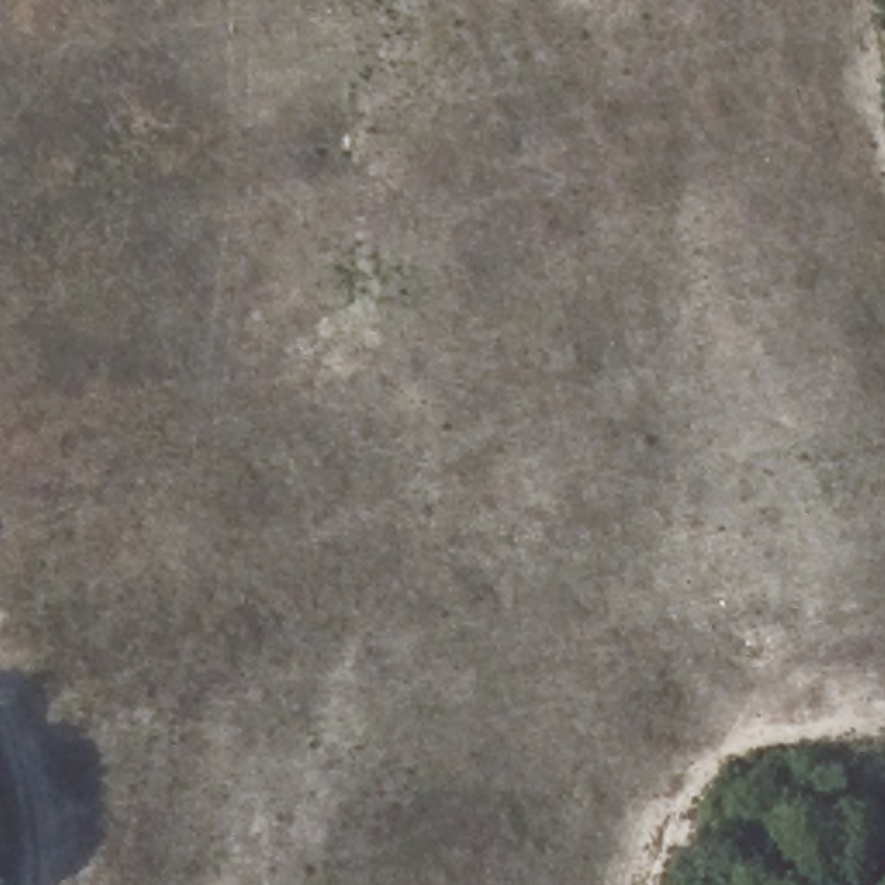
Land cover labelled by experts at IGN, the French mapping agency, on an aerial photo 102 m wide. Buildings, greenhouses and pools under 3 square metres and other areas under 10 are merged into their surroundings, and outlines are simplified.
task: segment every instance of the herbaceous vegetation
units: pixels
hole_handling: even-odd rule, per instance
[[[837,764],[844,771],[850,799],[861,802],[864,816],[864,854],[885,868],[885,0],[0,0],[0,885],[660,885],[660,871],[671,861],[671,847],[688,844],[691,837],[691,802],[712,785],[719,767],[747,750],[799,740],[816,740],[809,761]]]

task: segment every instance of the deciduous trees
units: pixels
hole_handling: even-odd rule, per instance
[[[719,767],[712,785],[691,802],[691,837],[688,844],[671,847],[671,861],[660,871],[660,885],[885,885],[885,868],[864,854],[864,816],[861,802],[850,799],[844,771],[837,764],[809,761],[816,740],[799,740],[747,750]]]

